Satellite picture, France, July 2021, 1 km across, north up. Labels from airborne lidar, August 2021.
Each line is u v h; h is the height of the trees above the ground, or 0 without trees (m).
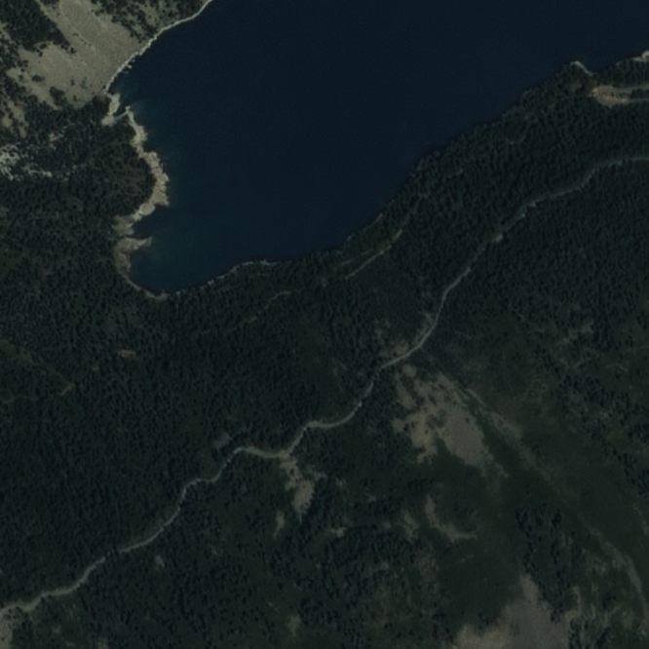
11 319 8
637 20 0
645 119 9
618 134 12
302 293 7
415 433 0
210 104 0
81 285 15
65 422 13
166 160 0
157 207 0
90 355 7
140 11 11
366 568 8
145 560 11
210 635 12
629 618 0
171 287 0
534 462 0
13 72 0
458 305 7
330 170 0
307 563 0
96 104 16
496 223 12
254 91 0
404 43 0
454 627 0
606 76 8
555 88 13
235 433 6
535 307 11
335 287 12
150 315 12
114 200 10
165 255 0
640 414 10
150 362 11
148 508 13
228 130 0
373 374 12
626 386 0
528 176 10
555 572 0
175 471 7
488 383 0
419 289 7
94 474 8
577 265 13
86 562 8
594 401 11
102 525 10
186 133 0
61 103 9
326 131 0
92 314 19
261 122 0
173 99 0
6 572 11
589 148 11
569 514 0
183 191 0
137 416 16
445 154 14
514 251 6
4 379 12
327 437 11
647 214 12
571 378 11
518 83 0
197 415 9
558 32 0
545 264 10
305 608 11
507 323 0
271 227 0
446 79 0
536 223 11
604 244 8
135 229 0
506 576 0
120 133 11
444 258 7
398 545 8
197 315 18
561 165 13
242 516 0
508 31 0
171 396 12
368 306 8
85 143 9
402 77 0
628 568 0
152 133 0
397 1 0
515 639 0
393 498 8
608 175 11
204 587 9
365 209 0
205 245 0
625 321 6
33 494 10
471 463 0
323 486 12
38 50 7
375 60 0
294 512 8
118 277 15
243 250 0
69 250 13
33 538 8
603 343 10
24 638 7
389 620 0
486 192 10
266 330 13
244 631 13
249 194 0
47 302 15
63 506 14
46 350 7
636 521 0
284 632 0
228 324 9
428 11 0
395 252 8
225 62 0
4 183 6
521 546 0
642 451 0
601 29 0
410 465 0
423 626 0
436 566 0
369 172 0
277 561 11
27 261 9
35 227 8
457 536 0
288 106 0
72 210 17
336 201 0
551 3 0
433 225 9
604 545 0
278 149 0
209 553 8
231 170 0
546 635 0
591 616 0
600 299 7
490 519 0
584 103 11
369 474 0
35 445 9
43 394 15
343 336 11
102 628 10
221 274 0
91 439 7
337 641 0
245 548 11
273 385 7
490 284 7
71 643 0
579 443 0
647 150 17
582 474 0
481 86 0
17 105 11
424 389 0
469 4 0
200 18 0
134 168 12
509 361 0
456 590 0
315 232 0
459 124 0
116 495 9
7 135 8
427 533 0
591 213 9
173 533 7
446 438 0
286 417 10
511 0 0
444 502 0
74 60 0
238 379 13
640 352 0
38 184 9
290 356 14
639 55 0
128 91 0
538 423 0
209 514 7
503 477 0
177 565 9
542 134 20
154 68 0
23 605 0
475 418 0
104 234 11
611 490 0
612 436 0
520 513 10
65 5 0
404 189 11
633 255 9
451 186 10
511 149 11
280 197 0
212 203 0
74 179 13
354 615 0
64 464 9
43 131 10
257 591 11
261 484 12
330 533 0
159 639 7
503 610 0
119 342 12
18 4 13
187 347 11
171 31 0
